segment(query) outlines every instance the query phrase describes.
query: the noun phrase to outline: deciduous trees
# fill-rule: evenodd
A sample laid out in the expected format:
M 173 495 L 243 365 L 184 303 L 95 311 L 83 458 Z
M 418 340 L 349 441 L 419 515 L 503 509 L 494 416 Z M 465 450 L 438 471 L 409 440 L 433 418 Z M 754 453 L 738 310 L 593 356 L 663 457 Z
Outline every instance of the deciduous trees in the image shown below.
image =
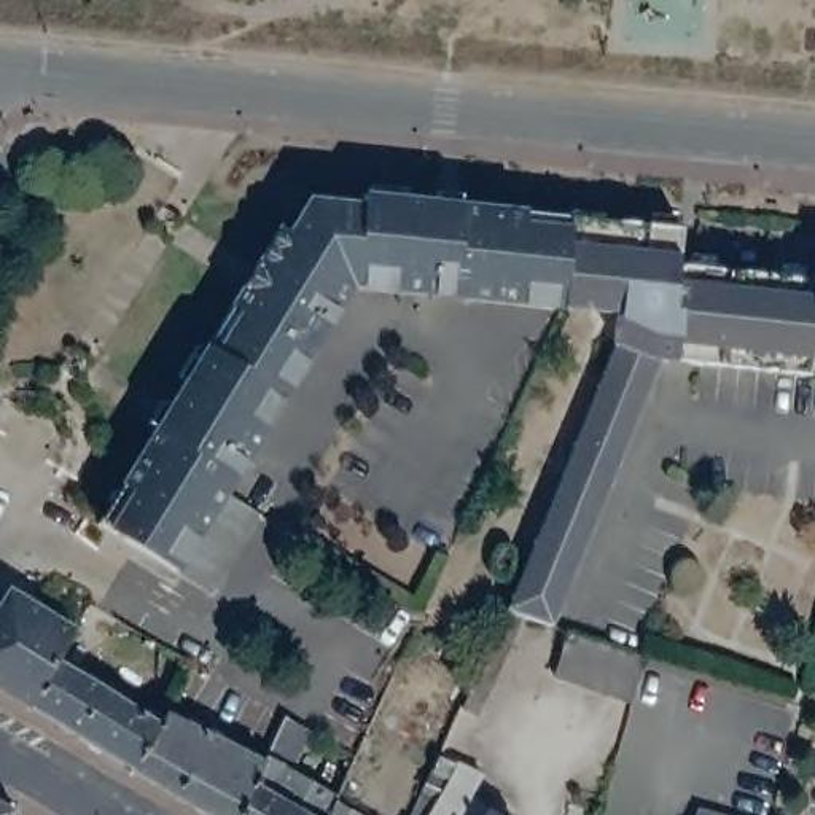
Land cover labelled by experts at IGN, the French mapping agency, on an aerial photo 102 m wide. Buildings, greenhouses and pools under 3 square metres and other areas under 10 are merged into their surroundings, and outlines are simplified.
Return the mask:
M 777 796 L 780 815 L 815 815 L 815 748 L 809 748 L 802 758 L 793 758 L 790 777 L 802 786 L 802 793 L 790 799 Z
M 436 640 L 439 659 L 455 659 L 455 669 L 449 675 L 458 694 L 468 694 L 474 684 L 484 681 L 487 659 L 506 649 L 509 634 L 516 630 L 513 608 L 503 605 L 503 599 L 487 599 L 481 608 L 455 614 L 446 637 L 433 637 L 433 627 L 408 624 L 401 640 L 392 646 L 385 653 L 385 662 L 398 665 L 401 659 L 411 659 L 417 649 L 427 649 Z
M 681 599 L 700 595 L 707 583 L 704 567 L 688 551 L 688 557 L 672 570 L 669 592 Z
M 567 376 L 567 363 L 573 360 L 570 347 L 563 353 L 538 357 L 535 366 L 551 376 Z
M 331 729 L 312 735 L 309 745 L 322 761 L 318 767 L 337 767 L 337 761 L 344 745 Z
M 704 516 L 710 522 L 726 522 L 735 509 L 739 490 L 697 490 L 691 503 Z
M 131 140 L 121 146 L 102 140 L 86 153 L 45 150 L 25 159 L 13 188 L 0 191 L 0 357 L 6 347 L 6 331 L 16 318 L 16 299 L 38 290 L 45 267 L 57 261 L 64 248 L 64 213 L 127 201 L 143 181 L 143 166 Z
M 258 627 L 255 634 L 242 634 L 239 646 L 229 646 L 226 653 L 239 669 L 255 672 L 264 688 L 271 688 L 280 697 L 280 704 L 290 704 L 312 684 L 309 656 L 299 646 L 290 659 L 277 656 L 274 627 Z
M 790 646 L 793 630 L 815 630 L 815 618 L 796 618 L 793 624 L 767 630 L 764 643 L 777 653 L 780 646 Z
M 312 605 L 315 618 L 353 618 L 372 630 L 382 630 L 392 624 L 398 611 L 392 605 L 392 592 L 382 583 L 372 592 L 363 583 L 341 579 L 341 570 L 325 567 L 328 541 L 325 535 L 318 535 L 318 509 L 341 503 L 337 490 L 331 487 L 318 487 L 315 481 L 302 487 L 302 532 L 293 538 L 293 554 L 283 567 L 277 567 L 283 573 L 283 586 L 296 589 L 299 599 Z
M 385 366 L 357 395 L 353 408 L 376 420 L 385 411 L 388 398 L 398 395 L 408 382 L 433 385 L 430 363 L 411 347 L 398 344 L 388 353 Z
M 25 379 L 25 385 L 16 388 L 13 404 L 19 411 L 48 417 L 57 436 L 70 436 L 60 392 L 51 388 L 64 366 L 64 360 L 54 353 L 16 360 L 13 376 Z
M 86 417 L 89 455 L 105 455 L 111 443 L 111 417 L 102 411 L 99 395 L 89 385 L 89 376 L 80 366 L 70 366 L 70 392 Z
M 519 570 L 519 548 L 500 544 L 493 557 L 481 567 L 478 579 L 513 583 Z
M 487 449 L 481 452 L 481 465 L 474 468 L 465 497 L 455 503 L 458 535 L 471 535 L 487 513 L 503 513 L 516 503 L 516 465 L 506 458 L 503 449 Z
M 755 570 L 732 570 L 732 602 L 758 618 L 774 592 L 761 586 Z

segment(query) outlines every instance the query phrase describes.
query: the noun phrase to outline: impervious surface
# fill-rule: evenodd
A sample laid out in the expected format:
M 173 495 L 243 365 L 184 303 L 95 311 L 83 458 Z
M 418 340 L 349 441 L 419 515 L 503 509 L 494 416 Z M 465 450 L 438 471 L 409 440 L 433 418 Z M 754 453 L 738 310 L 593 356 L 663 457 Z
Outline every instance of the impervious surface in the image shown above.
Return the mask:
M 809 264 L 809 245 L 815 242 L 815 121 L 777 115 L 732 118 L 704 108 L 589 99 L 436 92 L 430 86 L 347 83 L 299 73 L 255 73 L 131 57 L 41 54 L 32 48 L 0 48 L 0 191 L 13 188 L 25 159 L 45 150 L 86 153 L 102 140 L 121 146 L 131 140 L 143 166 L 159 169 L 175 181 L 185 175 L 188 181 L 204 188 L 213 178 L 213 172 L 229 175 L 232 166 L 223 159 L 223 150 L 236 137 L 236 131 L 258 131 L 277 137 L 283 150 L 331 150 L 337 143 L 372 143 L 433 150 L 446 159 L 481 159 L 519 172 L 640 185 L 643 178 L 675 175 L 684 185 L 684 194 L 672 207 L 665 223 L 688 229 L 684 252 L 691 261 L 716 261 L 726 267 L 764 267 L 799 274 Z M 786 210 L 796 213 L 796 229 L 786 236 L 751 236 L 694 226 L 694 204 Z
M 13 815 L 216 815 L 197 805 L 194 799 L 181 796 L 178 786 L 159 783 L 156 777 L 137 770 L 131 761 L 70 729 L 64 719 L 0 688 L 0 796 L 10 796 Z
M 672 388 L 653 404 L 643 401 L 643 411 L 634 423 L 634 436 L 627 439 L 605 506 L 589 532 L 583 560 L 573 573 L 576 592 L 551 618 L 554 624 L 573 618 L 595 627 L 608 627 L 611 634 L 602 643 L 611 646 L 611 653 L 637 656 L 637 640 L 646 637 L 649 627 L 653 614 L 662 608 L 669 592 L 672 570 L 688 557 L 688 551 L 684 528 L 688 522 L 697 525 L 697 519 L 704 516 L 691 503 L 697 490 L 739 490 L 777 497 L 790 509 L 796 503 L 815 500 L 815 372 L 812 379 L 799 379 L 796 388 L 780 388 L 774 376 L 691 369 L 681 357 L 665 357 L 662 372 Z M 694 458 L 694 468 L 688 484 L 675 487 L 669 484 L 669 468 L 672 458 L 681 452 Z
M 608 51 L 614 54 L 710 60 L 716 54 L 716 35 L 723 22 L 716 19 L 716 0 L 614 0 L 608 35 Z
M 605 758 L 614 761 L 614 777 L 605 799 L 605 805 L 614 809 L 614 815 L 780 815 L 777 796 L 790 799 L 802 793 L 802 786 L 790 777 L 793 758 L 786 755 L 786 735 L 793 735 L 799 723 L 799 710 L 786 713 L 774 704 L 732 694 L 732 684 L 665 662 L 659 678 L 646 684 L 646 697 L 634 707 L 624 707 L 614 742 Z
M 207 267 L 216 245 L 194 229 L 197 216 L 191 210 L 178 210 L 172 201 L 153 201 L 150 207 L 156 220 L 169 226 L 175 245 Z
M 80 643 L 67 649 L 67 662 L 76 665 L 83 653 L 99 656 L 105 634 L 121 634 L 121 618 L 131 618 L 143 630 L 153 630 L 159 640 L 166 640 L 172 653 L 188 649 L 191 659 L 207 662 L 207 672 L 188 675 L 181 688 L 185 700 L 197 700 L 216 710 L 226 723 L 242 723 L 271 742 L 283 719 L 309 729 L 312 735 L 331 729 L 344 745 L 337 761 L 350 767 L 366 739 L 366 726 L 372 723 L 392 684 L 385 662 L 385 653 L 392 646 L 382 646 L 382 630 L 372 630 L 353 618 L 315 618 L 312 605 L 299 599 L 296 589 L 283 586 L 283 573 L 277 567 L 283 567 L 293 554 L 293 538 L 302 532 L 302 487 L 315 481 L 328 446 L 337 439 L 337 430 L 353 417 L 353 408 L 357 395 L 385 366 L 388 353 L 398 344 L 411 347 L 430 363 L 433 385 L 408 382 L 398 395 L 388 398 L 385 411 L 376 420 L 369 436 L 357 443 L 353 452 L 341 455 L 341 468 L 331 487 L 337 490 L 341 503 L 353 503 L 357 513 L 372 513 L 379 532 L 385 532 L 388 525 L 411 528 L 423 551 L 430 544 L 443 544 L 446 551 L 449 544 L 455 544 L 458 535 L 455 503 L 465 497 L 474 468 L 481 465 L 481 452 L 487 449 L 487 443 L 503 427 L 503 414 L 513 401 L 519 376 L 528 366 L 532 341 L 541 337 L 551 312 L 481 306 L 471 315 L 465 315 L 439 290 L 423 293 L 395 283 L 392 293 L 372 293 L 369 283 L 357 287 L 357 293 L 341 306 L 341 322 L 331 322 L 334 334 L 309 353 L 309 372 L 302 376 L 302 382 L 293 385 L 280 372 L 267 388 L 283 398 L 280 417 L 271 423 L 271 430 L 280 439 L 267 446 L 248 481 L 232 490 L 232 500 L 248 503 L 264 519 L 264 535 L 245 541 L 242 551 L 229 560 L 229 579 L 220 602 L 185 586 L 181 567 L 172 567 L 159 551 L 124 535 L 105 519 L 86 509 L 89 500 L 76 484 L 83 462 L 89 455 L 86 417 L 70 392 L 70 366 L 80 366 L 89 376 L 89 385 L 99 395 L 102 411 L 111 417 L 111 411 L 127 392 L 127 382 L 108 372 L 108 341 L 134 293 L 153 283 L 159 274 L 159 236 L 143 232 L 137 242 L 121 245 L 99 267 L 83 264 L 92 274 L 92 287 L 86 290 L 83 302 L 92 312 L 76 337 L 64 334 L 54 353 L 64 360 L 64 366 L 51 388 L 60 392 L 70 436 L 57 436 L 48 417 L 19 411 L 13 404 L 16 388 L 13 382 L 0 382 L 0 595 L 6 586 L 19 586 L 41 599 L 41 573 L 64 573 L 83 589 L 89 589 L 92 599 L 80 618 L 80 630 Z M 299 646 L 309 656 L 312 684 L 290 704 L 280 704 L 280 697 L 271 688 L 264 688 L 255 672 L 239 669 L 226 653 L 229 646 L 239 646 L 242 634 L 255 634 L 258 627 L 274 627 L 277 656 L 290 659 Z

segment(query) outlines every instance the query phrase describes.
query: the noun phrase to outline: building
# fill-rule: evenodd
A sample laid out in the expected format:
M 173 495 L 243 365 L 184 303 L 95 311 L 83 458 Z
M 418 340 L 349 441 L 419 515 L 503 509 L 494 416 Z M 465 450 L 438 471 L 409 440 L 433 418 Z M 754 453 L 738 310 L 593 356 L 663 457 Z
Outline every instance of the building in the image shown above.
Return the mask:
M 347 783 L 341 790 L 322 790 L 309 777 L 287 767 L 290 758 L 306 761 L 309 745 L 312 735 L 309 729 L 283 719 L 271 742 L 267 755 L 258 755 L 178 713 L 159 716 L 153 710 L 140 710 L 137 700 L 131 700 L 124 691 L 76 665 L 67 662 L 67 649 L 80 643 L 80 630 L 67 624 L 67 608 L 57 611 L 41 599 L 19 586 L 6 586 L 0 595 L 0 688 L 64 719 L 70 729 L 131 761 L 137 770 L 156 777 L 159 783 L 178 786 L 181 796 L 194 799 L 197 805 L 216 815 L 360 815 L 344 805 L 344 799 L 350 796 Z
M 506 649 L 487 659 L 484 681 L 474 684 L 468 694 L 465 707 L 474 713 L 478 707 L 484 707 L 503 669 Z
M 541 210 L 528 204 L 474 201 L 471 194 L 420 194 L 404 188 L 369 188 L 357 197 L 309 194 L 296 220 L 280 226 L 274 245 L 258 258 L 255 277 L 232 296 L 216 334 L 191 360 L 185 360 L 175 395 L 169 401 L 156 401 L 150 436 L 140 455 L 134 458 L 131 471 L 124 474 L 121 487 L 115 490 L 105 519 L 124 535 L 159 551 L 172 567 L 181 567 L 185 586 L 220 602 L 229 579 L 229 560 L 242 551 L 245 541 L 264 535 L 264 519 L 248 503 L 232 500 L 232 490 L 248 481 L 267 446 L 280 439 L 271 430 L 271 423 L 280 417 L 283 398 L 267 388 L 280 372 L 293 385 L 302 382 L 302 376 L 309 372 L 309 353 L 334 334 L 331 322 L 341 322 L 341 306 L 357 293 L 357 287 L 369 283 L 372 293 L 392 293 L 395 283 L 423 293 L 439 290 L 465 315 L 471 315 L 481 306 L 551 312 L 560 306 L 573 306 L 599 309 L 602 318 L 608 312 L 618 315 L 614 350 L 592 398 L 592 408 L 586 414 L 586 423 L 579 430 L 579 439 L 573 446 L 570 465 L 554 493 L 554 503 L 535 538 L 513 605 L 519 611 L 551 618 L 576 592 L 573 573 L 583 560 L 589 532 L 605 506 L 627 439 L 634 436 L 634 423 L 643 411 L 643 401 L 653 404 L 672 388 L 662 372 L 665 357 L 681 357 L 691 369 L 774 376 L 780 388 L 796 388 L 799 379 L 812 379 L 815 372 L 815 242 L 809 245 L 809 264 L 799 274 L 764 267 L 726 267 L 716 261 L 691 261 L 684 252 L 688 229 L 665 223 L 595 220 L 583 216 L 579 210 Z
M 586 691 L 618 697 L 624 707 L 634 707 L 646 697 L 646 684 L 659 678 L 665 662 L 637 656 L 611 653 L 611 646 L 602 643 L 570 630 L 560 669 L 554 669 L 554 675 Z
M 474 767 L 439 758 L 423 786 L 430 796 L 439 799 L 430 815 L 513 815 L 500 790 L 487 786 Z
M 0 815 L 13 815 L 10 796 L 0 796 Z

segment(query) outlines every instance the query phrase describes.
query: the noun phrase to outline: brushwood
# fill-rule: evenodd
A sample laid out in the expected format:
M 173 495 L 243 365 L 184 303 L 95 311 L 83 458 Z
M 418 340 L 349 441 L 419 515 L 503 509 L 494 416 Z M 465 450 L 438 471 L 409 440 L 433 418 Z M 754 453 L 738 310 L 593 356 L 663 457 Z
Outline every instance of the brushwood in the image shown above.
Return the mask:
M 796 213 L 786 210 L 694 204 L 694 226 L 751 236 L 786 236 L 796 229 Z
M 672 207 L 684 194 L 684 185 L 675 175 L 643 178 L 640 185 L 659 188 Z
M 89 589 L 83 589 L 64 573 L 41 573 L 41 599 L 57 611 L 67 608 L 67 624 L 80 630 L 80 618 L 92 599 Z
M 796 672 L 777 678 L 761 669 L 761 659 L 755 665 L 745 665 L 729 656 L 684 646 L 688 637 L 649 627 L 646 637 L 637 640 L 637 656 L 665 662 L 732 684 L 780 697 L 793 697 L 793 691 L 802 691 L 805 700 L 815 700 L 815 630 L 793 630 L 790 646 L 780 646 L 777 653 L 796 662 Z
M 669 468 L 669 484 L 675 487 L 688 484 L 694 468 L 694 458 L 681 452 L 672 458 Z
M 576 805 L 583 805 L 583 815 L 614 815 L 614 809 L 605 805 L 605 799 L 614 777 L 614 761 L 605 758 L 595 786 L 567 780 L 567 796 Z
M 573 306 L 560 306 L 551 312 L 541 337 L 532 341 L 528 366 L 519 376 L 513 401 L 503 414 L 503 427 L 487 443 L 487 449 L 503 449 L 506 458 L 516 465 L 516 443 L 522 436 L 519 401 L 538 401 L 541 408 L 551 408 L 551 376 L 535 366 L 538 357 L 563 353 L 570 347 L 563 325 Z
M 392 605 L 398 611 L 427 608 L 427 599 L 446 567 L 446 554 L 433 557 L 417 592 L 408 592 L 408 579 L 398 579 L 372 567 L 360 551 L 347 551 L 344 541 L 328 541 L 325 567 L 341 570 L 341 579 L 363 583 L 372 592 L 382 583 L 392 592 Z

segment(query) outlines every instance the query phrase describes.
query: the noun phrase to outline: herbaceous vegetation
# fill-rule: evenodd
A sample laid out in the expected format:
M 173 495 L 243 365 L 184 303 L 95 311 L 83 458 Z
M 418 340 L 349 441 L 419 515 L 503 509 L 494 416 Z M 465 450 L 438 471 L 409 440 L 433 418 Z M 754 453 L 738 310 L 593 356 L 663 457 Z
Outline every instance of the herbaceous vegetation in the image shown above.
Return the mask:
M 704 516 L 697 519 L 697 525 L 688 522 L 684 528 L 688 551 L 704 567 L 707 583 L 700 595 L 681 599 L 669 592 L 662 608 L 653 614 L 649 627 L 688 637 L 684 646 L 729 656 L 745 665 L 755 665 L 761 659 L 761 669 L 777 678 L 796 672 L 796 662 L 777 653 L 764 643 L 767 630 L 793 624 L 796 618 L 815 618 L 815 500 L 796 503 L 790 509 L 777 497 L 739 490 L 735 509 L 726 522 L 710 522 Z M 732 570 L 755 570 L 761 586 L 774 592 L 758 618 L 732 602 Z
M 446 551 L 443 544 L 430 544 L 423 551 L 411 528 L 388 525 L 385 532 L 379 532 L 372 513 L 357 513 L 353 503 L 341 503 L 318 509 L 318 535 L 325 535 L 328 541 L 344 541 L 347 551 L 360 551 L 372 567 L 398 579 L 408 579 L 408 592 L 417 592 L 433 557 L 446 554 L 446 567 L 427 599 L 427 608 L 398 611 L 392 624 L 382 630 L 382 646 L 392 646 L 401 640 L 408 624 L 433 627 L 433 637 L 446 637 L 455 614 L 481 608 L 487 599 L 503 599 L 503 605 L 513 608 L 513 605 L 535 538 L 554 503 L 554 493 L 570 465 L 573 446 L 579 439 L 579 430 L 586 423 L 586 414 L 592 408 L 592 398 L 614 350 L 618 315 L 608 312 L 602 318 L 599 309 L 573 306 L 563 325 L 570 347 L 573 360 L 567 363 L 567 376 L 551 376 L 551 408 L 541 408 L 538 401 L 519 401 L 522 436 L 516 443 L 516 465 L 516 503 L 503 513 L 487 513 L 471 535 L 458 535 L 455 544 L 449 544 Z M 500 544 L 519 548 L 519 570 L 513 583 L 478 579 L 481 567 L 493 557 Z
M 411 32 L 398 19 L 404 0 L 385 0 L 382 16 L 366 16 L 357 22 L 347 22 L 341 10 L 306 19 L 274 19 L 242 35 L 242 45 L 299 54 L 379 54 L 401 60 L 443 57 L 446 48 L 439 32 L 455 29 L 462 19 L 462 6 L 439 3 L 423 10 L 420 19 L 414 19 Z
M 423 786 L 439 758 L 439 748 L 452 732 L 458 710 L 465 707 L 468 694 L 458 694 L 449 675 L 455 669 L 455 659 L 439 659 L 436 640 L 427 649 L 417 649 L 411 659 L 401 659 L 398 665 L 385 662 L 392 684 L 372 723 L 366 726 L 366 739 L 350 767 L 337 761 L 337 767 L 318 767 L 322 761 L 309 745 L 306 761 L 290 758 L 287 767 L 309 777 L 322 790 L 341 790 L 347 783 L 350 796 L 344 799 L 344 805 L 360 815 L 430 815 L 439 799 L 430 796 Z
M 0 25 L 67 25 L 83 32 L 121 32 L 131 38 L 194 41 L 216 38 L 229 29 L 245 25 L 245 19 L 239 16 L 204 13 L 201 0 L 0 0 Z
M 309 194 L 357 197 L 369 188 L 404 188 L 420 194 L 471 194 L 474 201 L 528 204 L 541 210 L 579 210 L 583 216 L 595 220 L 665 223 L 672 207 L 659 188 L 640 185 L 519 172 L 481 159 L 446 159 L 433 150 L 372 143 L 337 143 L 331 150 L 283 150 L 277 137 L 258 131 L 236 131 L 236 137 L 223 150 L 223 159 L 232 166 L 229 175 L 213 172 L 213 178 L 204 188 L 188 181 L 185 175 L 175 181 L 159 169 L 143 166 L 143 181 L 127 201 L 64 213 L 64 248 L 57 261 L 45 267 L 38 290 L 16 299 L 16 318 L 6 331 L 6 347 L 0 357 L 0 382 L 13 382 L 16 388 L 25 385 L 25 379 L 13 376 L 16 360 L 54 353 L 64 334 L 76 337 L 92 312 L 83 302 L 86 290 L 92 287 L 92 274 L 83 264 L 99 267 L 121 245 L 137 242 L 143 232 L 159 236 L 159 274 L 153 283 L 134 293 L 108 341 L 108 372 L 127 382 L 127 392 L 111 411 L 111 417 L 111 443 L 105 455 L 89 455 L 83 462 L 76 484 L 89 500 L 86 509 L 105 519 L 115 490 L 121 487 L 124 474 L 131 471 L 134 458 L 140 455 L 150 436 L 156 401 L 169 401 L 175 395 L 185 360 L 191 360 L 216 334 L 232 296 L 255 277 L 258 258 L 274 245 L 280 226 L 296 220 Z M 216 245 L 207 267 L 175 245 L 169 226 L 156 220 L 150 207 L 153 201 L 172 201 L 178 210 L 191 210 L 197 216 L 194 229 Z
M 353 417 L 337 430 L 337 439 L 328 446 L 315 481 L 318 487 L 331 487 L 341 468 L 341 455 L 353 452 L 357 443 L 369 436 L 376 420 L 353 408 Z
M 793 691 L 793 697 L 780 697 L 732 684 L 732 694 L 774 704 L 786 713 L 799 710 L 799 723 L 793 735 L 786 735 L 786 755 L 793 758 L 802 758 L 809 748 L 815 748 L 815 700 L 805 700 L 802 691 Z
M 159 640 L 153 630 L 143 630 L 131 618 L 121 618 L 121 634 L 105 634 L 99 656 L 83 653 L 76 665 L 124 691 L 131 700 L 137 700 L 140 710 L 153 710 L 159 716 L 178 713 L 258 755 L 267 755 L 271 742 L 242 723 L 226 723 L 216 710 L 197 700 L 185 700 L 181 688 L 188 675 L 207 672 L 207 662 L 191 659 L 188 649 L 172 653 L 166 640 Z
M 815 99 L 815 29 L 805 29 L 802 22 L 786 22 L 780 25 L 780 32 L 767 32 L 742 16 L 723 22 L 716 35 L 716 54 L 710 60 L 614 54 L 608 51 L 608 35 L 592 29 L 592 51 L 500 45 L 468 35 L 455 41 L 452 70 L 478 64 L 538 73 L 573 70 L 621 83 L 688 83 L 707 89 Z

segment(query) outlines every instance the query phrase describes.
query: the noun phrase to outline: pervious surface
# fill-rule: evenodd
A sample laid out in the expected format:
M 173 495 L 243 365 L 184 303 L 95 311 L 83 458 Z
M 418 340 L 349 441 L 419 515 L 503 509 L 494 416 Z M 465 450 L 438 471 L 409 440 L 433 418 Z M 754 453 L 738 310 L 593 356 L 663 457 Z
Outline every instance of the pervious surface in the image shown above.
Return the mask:
M 618 697 L 586 691 L 554 675 L 554 669 L 560 669 L 570 630 L 602 643 L 611 634 L 608 627 L 595 627 L 573 618 L 554 624 L 551 618 L 519 611 L 513 605 L 513 608 L 516 630 L 509 634 L 506 649 L 503 669 L 484 707 L 478 707 L 474 713 L 465 707 L 458 710 L 452 732 L 439 748 L 439 758 L 474 767 L 487 786 L 500 790 L 513 815 L 583 815 L 583 805 L 576 805 L 567 796 L 567 780 L 595 786 L 605 758 L 614 742 L 624 707 Z
M 589 99 L 704 108 L 732 118 L 777 115 L 815 121 L 815 99 L 707 89 L 688 83 L 621 83 L 573 70 L 538 73 L 478 64 L 452 70 L 455 41 L 468 35 L 500 45 L 592 51 L 592 29 L 608 35 L 614 0 L 404 0 L 398 19 L 411 32 L 414 19 L 420 19 L 423 10 L 439 3 L 462 6 L 462 19 L 455 29 L 439 32 L 446 48 L 443 57 L 401 60 L 379 54 L 299 54 L 242 45 L 242 35 L 274 19 L 306 19 L 341 10 L 347 22 L 357 22 L 366 16 L 382 16 L 385 0 L 201 0 L 204 13 L 239 16 L 245 19 L 245 25 L 229 29 L 216 38 L 194 41 L 131 38 L 121 32 L 83 32 L 67 25 L 0 25 L 0 48 L 32 48 L 41 54 L 131 57 L 255 73 L 299 73 L 347 83 L 430 86 L 436 92 Z
M 767 32 L 780 32 L 780 25 L 786 22 L 802 22 L 805 29 L 815 29 L 815 0 L 716 0 L 716 19 L 723 22 L 742 16 Z

